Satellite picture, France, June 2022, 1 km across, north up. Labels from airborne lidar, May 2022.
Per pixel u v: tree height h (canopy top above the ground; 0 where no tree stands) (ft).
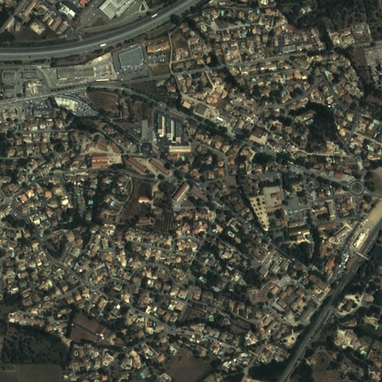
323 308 20
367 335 22
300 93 30
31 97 0
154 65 0
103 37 0
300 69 0
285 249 22
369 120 21
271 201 0
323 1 63
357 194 0
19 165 21
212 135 35
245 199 34
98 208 28
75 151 25
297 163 38
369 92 31
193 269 38
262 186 53
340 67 31
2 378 0
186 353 0
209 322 31
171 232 39
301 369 30
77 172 0
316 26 62
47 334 34
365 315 21
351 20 32
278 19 29
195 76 45
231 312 27
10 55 0
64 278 23
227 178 0
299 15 65
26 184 34
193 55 0
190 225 37
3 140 46
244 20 30
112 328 21
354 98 22
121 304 24
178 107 25
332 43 20
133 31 0
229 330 24
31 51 0
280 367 34
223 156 0
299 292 0
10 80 0
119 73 0
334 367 39
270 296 40
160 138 0
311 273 48
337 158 19
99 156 0
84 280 0
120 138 0
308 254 51
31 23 27
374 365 27
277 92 51
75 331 0
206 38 43
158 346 31
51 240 25
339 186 53
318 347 25
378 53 0
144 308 27
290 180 58
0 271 0
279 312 29
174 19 50
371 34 22
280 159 42
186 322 27
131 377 47
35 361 38
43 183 28
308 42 0
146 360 46
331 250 20
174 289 0
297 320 27
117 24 0
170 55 0
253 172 44
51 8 0
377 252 61
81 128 26
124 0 0
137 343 39
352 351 36
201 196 0
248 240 33
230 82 26
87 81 0
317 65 34
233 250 0
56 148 29
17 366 0
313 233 48
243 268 27
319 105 49
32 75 0
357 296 22
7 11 23
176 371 0
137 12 0
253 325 31
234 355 20
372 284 64
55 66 43
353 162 0
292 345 0
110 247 32
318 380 0
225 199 45
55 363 24
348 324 19
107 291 38
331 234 31
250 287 22
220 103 0
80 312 32
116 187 34
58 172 0
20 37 0
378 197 0
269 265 0
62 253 34
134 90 34
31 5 0
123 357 31
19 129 0
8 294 41
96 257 27
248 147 40
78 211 26
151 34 0
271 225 33
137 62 0
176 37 0
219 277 51
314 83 31
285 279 0
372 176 47
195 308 30
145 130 0
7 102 0
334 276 0
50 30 0
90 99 0
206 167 60
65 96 0
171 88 0
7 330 20
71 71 0
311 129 23
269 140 26
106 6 0
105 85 0
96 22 0
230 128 0
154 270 21
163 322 36
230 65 0
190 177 35
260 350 0
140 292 28
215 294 27
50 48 0
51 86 0
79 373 34
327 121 19
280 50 0
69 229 27
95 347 29
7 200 0
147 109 0
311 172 0
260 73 27
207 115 0
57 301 19
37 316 20
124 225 22
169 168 35
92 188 19
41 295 19
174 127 0
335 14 68
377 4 32
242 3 20
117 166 39
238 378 17
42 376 0
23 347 36
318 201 0
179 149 0
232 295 34
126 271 34
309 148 17
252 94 26
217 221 25
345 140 0
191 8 31
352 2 37
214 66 52
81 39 0
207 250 52
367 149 22
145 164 0
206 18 19
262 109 0
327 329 19
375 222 0
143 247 21
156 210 0
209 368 0
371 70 44
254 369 24
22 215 0
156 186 0
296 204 0
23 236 30
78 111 0
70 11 0
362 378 31
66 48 0
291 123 33
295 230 44
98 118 26
